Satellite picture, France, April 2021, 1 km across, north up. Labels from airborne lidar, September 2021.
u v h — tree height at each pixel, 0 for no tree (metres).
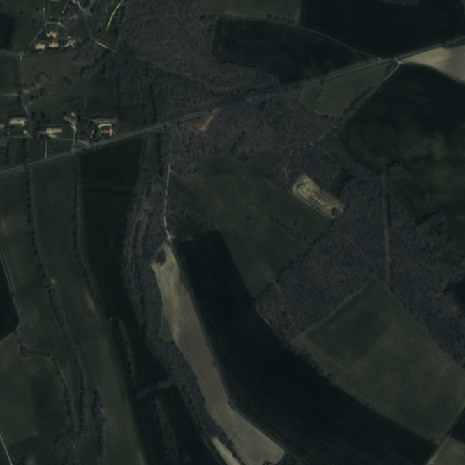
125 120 0
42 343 0
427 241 13
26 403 0
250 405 0
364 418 0
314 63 0
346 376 0
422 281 16
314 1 0
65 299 0
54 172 0
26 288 0
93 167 0
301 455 0
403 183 0
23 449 0
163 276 0
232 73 12
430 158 0
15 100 0
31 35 0
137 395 14
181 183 0
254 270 0
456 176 0
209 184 0
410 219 16
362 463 0
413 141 0
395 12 0
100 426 11
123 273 15
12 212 0
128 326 0
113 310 0
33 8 0
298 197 0
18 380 0
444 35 0
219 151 12
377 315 0
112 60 20
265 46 0
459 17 0
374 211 12
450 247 13
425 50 0
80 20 0
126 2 16
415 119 0
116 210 0
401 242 17
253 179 0
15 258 0
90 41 14
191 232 0
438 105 0
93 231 0
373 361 0
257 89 19
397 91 0
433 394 0
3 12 0
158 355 19
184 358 13
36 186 0
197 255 0
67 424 0
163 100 15
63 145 0
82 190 0
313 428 0
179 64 9
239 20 0
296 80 0
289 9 0
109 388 0
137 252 21
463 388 0
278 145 8
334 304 19
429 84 0
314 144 14
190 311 0
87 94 0
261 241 0
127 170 0
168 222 11
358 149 0
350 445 0
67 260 0
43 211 0
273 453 0
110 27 0
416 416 0
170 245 12
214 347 0
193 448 0
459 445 0
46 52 7
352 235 13
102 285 0
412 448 0
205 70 10
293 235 14
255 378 0
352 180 16
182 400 0
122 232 0
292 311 19
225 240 0
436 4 0
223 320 0
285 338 17
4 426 0
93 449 0
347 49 0
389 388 0
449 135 0
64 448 16
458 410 0
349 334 0
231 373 0
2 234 0
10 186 0
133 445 0
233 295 0
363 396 0
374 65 0
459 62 0
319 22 0
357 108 13
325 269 16
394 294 15
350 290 17
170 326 0
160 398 0
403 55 0
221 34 0
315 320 18
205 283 0
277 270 0
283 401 0
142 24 11
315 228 0
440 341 18
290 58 0
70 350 12
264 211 0
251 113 20
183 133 10
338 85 0
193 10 10
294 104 10
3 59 0
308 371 0
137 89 16
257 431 0
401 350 0
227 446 10
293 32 0
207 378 0
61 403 0
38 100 11
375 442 0
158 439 0
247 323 0
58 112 0
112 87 0
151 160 0
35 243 13
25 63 0
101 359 0
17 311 0
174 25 12
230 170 0
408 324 0
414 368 0
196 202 0
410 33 0
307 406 0
